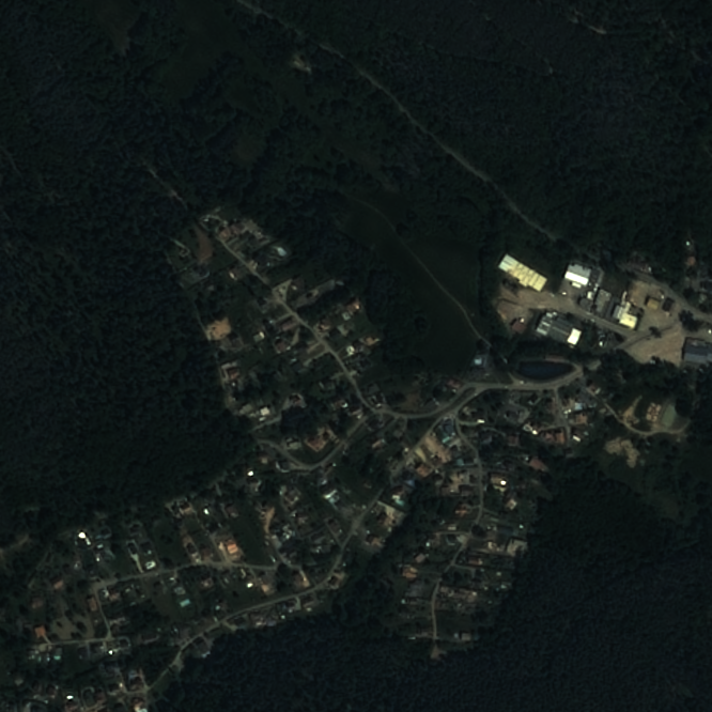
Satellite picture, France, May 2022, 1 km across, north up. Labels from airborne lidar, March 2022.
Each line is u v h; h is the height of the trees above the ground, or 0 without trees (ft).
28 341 65
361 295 37
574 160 102
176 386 106
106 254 93
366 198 0
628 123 34
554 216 47
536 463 0
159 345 83
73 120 93
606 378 42
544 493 0
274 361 0
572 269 0
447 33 64
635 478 0
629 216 74
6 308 44
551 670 69
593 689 67
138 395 61
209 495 47
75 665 0
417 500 19
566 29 60
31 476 44
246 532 0
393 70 65
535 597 71
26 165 65
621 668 73
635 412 0
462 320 0
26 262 86
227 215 0
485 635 50
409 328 81
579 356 56
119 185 43
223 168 103
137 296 94
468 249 0
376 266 73
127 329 70
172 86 0
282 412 0
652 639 53
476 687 77
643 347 0
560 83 59
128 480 83
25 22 90
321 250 120
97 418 44
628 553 55
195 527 0
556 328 0
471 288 0
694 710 70
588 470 51
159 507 47
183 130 92
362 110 44
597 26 55
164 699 0
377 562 46
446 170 79
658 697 70
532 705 75
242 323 18
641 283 0
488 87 77
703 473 0
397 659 75
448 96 60
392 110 73
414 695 78
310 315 51
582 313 0
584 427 0
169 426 92
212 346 60
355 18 60
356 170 61
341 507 0
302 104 0
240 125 87
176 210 126
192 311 84
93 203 70
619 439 0
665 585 70
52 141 82
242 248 0
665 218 68
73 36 91
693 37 77
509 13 61
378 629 65
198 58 0
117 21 0
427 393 0
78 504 73
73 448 57
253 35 93
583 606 78
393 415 0
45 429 61
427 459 0
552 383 0
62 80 86
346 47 73
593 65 65
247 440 70
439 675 68
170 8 98
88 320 84
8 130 72
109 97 85
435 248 0
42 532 26
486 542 0
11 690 28
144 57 80
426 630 0
